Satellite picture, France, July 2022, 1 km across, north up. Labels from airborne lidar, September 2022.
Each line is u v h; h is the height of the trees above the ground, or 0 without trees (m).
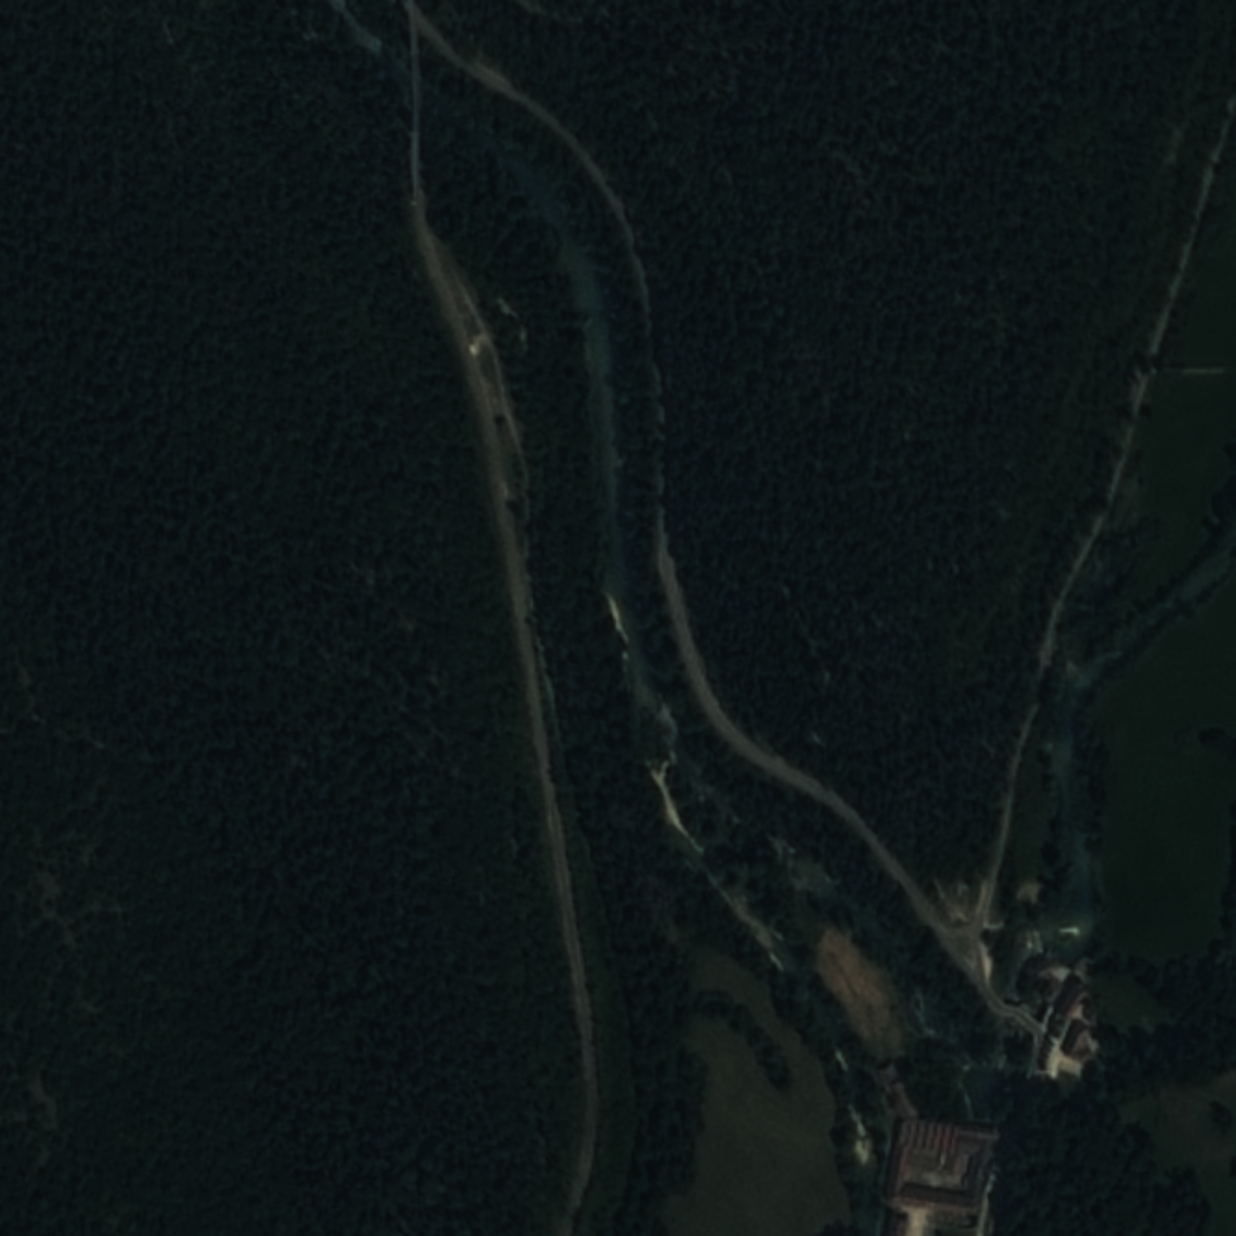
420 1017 16
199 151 13
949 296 15
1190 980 21
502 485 0
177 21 12
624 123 18
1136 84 22
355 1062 18
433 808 11
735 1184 0
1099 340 21
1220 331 0
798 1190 0
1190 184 14
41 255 16
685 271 16
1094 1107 28
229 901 17
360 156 27
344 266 17
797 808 27
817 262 11
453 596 14
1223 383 0
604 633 38
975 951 0
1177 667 0
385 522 17
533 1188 8
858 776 19
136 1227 8
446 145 32
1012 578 8
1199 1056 37
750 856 24
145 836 13
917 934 9
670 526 8
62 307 13
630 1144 13
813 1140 0
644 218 17
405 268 17
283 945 18
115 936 10
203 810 15
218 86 18
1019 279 19
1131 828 0
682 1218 0
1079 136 12
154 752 17
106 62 18
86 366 20
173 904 12
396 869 21
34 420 14
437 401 19
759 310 23
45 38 15
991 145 19
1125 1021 0
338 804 24
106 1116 13
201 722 23
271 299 17
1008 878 9
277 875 9
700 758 26
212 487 9
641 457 24
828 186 18
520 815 10
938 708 17
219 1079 14
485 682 23
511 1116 15
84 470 18
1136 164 13
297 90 18
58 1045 9
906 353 18
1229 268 0
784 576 9
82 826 10
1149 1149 28
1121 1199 40
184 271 20
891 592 14
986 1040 27
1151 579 0
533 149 25
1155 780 0
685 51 24
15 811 9
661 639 14
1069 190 18
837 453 26
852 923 20
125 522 7
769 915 19
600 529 28
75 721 10
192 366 16
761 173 22
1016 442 10
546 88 21
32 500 18
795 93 20
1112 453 20
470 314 0
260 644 17
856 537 16
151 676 14
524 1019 19
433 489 17
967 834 16
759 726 11
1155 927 0
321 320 10
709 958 0
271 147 19
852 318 16
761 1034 7
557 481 30
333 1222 21
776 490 24
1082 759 15
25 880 10
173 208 14
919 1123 0
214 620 17
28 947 7
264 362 12
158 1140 9
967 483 19
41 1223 10
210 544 17
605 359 0
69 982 10
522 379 15
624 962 18
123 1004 9
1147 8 24
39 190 20
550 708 9
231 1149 12
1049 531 26
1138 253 18
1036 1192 26
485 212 23
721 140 15
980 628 14
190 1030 15
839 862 23
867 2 18
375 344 16
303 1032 15
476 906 18
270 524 14
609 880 20
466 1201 12
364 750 7
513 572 0
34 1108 13
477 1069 21
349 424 16
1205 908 0
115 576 21
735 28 17
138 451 19
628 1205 24
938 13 22
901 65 16
